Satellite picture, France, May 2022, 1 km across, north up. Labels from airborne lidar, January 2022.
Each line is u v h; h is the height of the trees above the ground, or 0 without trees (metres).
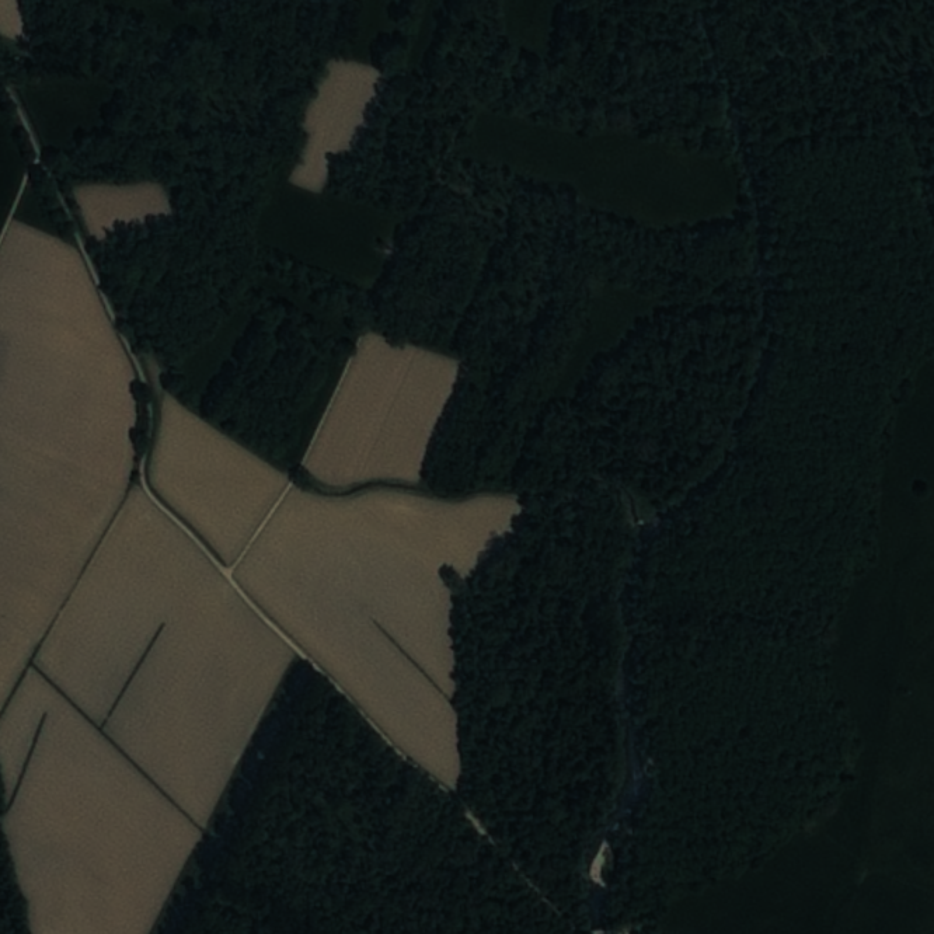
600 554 27
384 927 29
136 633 0
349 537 0
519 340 30
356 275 0
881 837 0
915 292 11
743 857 9
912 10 11
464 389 17
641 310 0
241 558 0
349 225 0
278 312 20
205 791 0
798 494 20
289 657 0
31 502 0
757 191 16
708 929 0
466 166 27
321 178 0
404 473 0
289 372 23
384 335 19
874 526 18
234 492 0
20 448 0
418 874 33
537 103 18
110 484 0
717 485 16
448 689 0
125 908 0
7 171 0
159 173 22
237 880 27
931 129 16
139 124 22
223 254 19
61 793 0
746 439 21
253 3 28
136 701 0
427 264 21
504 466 11
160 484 0
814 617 22
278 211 0
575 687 23
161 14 0
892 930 0
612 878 19
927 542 0
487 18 16
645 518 0
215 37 22
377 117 27
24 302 0
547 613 23
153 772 0
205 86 28
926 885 0
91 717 0
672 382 18
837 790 7
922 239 20
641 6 22
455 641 11
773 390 22
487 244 13
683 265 28
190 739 0
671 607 28
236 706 0
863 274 21
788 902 0
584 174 0
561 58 21
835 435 22
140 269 19
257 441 23
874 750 0
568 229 30
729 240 27
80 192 0
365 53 0
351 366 0
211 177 24
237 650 0
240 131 25
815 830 0
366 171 26
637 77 29
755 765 22
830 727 20
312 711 27
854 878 0
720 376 24
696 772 24
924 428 0
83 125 0
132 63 26
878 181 24
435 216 28
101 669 0
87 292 0
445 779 0
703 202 0
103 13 20
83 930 0
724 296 11
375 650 0
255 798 30
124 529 0
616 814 0
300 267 21
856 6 12
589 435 20
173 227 23
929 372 0
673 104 30
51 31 26
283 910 39
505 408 23
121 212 0
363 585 0
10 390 0
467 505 0
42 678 0
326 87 0
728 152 15
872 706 0
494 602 28
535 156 0
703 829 24
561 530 31
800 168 23
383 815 30
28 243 0
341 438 0
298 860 24
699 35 19
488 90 21
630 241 24
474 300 6
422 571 0
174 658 0
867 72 25
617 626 24
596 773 9
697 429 29
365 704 0
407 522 0
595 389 23
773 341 21
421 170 24
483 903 28
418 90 26
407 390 0
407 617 0
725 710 25
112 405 0
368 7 0
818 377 23
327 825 32
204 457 0
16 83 18
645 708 29
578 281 33
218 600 0
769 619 24
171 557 0
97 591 0
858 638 0
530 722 11
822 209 20
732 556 25
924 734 0
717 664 23
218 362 0
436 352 0
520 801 20
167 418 0
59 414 0
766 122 7
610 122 23
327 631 0
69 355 0
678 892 7
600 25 11
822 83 21
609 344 0
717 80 9
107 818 0
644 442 33
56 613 0
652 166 0
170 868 0
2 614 0
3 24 0
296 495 0
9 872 16
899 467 0
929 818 0
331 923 30
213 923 29
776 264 22
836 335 23
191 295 27
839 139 15
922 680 0
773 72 27
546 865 27
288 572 0
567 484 21
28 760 0
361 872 27
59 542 0
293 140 24
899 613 0
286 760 30
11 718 0
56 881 0
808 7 18
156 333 24
